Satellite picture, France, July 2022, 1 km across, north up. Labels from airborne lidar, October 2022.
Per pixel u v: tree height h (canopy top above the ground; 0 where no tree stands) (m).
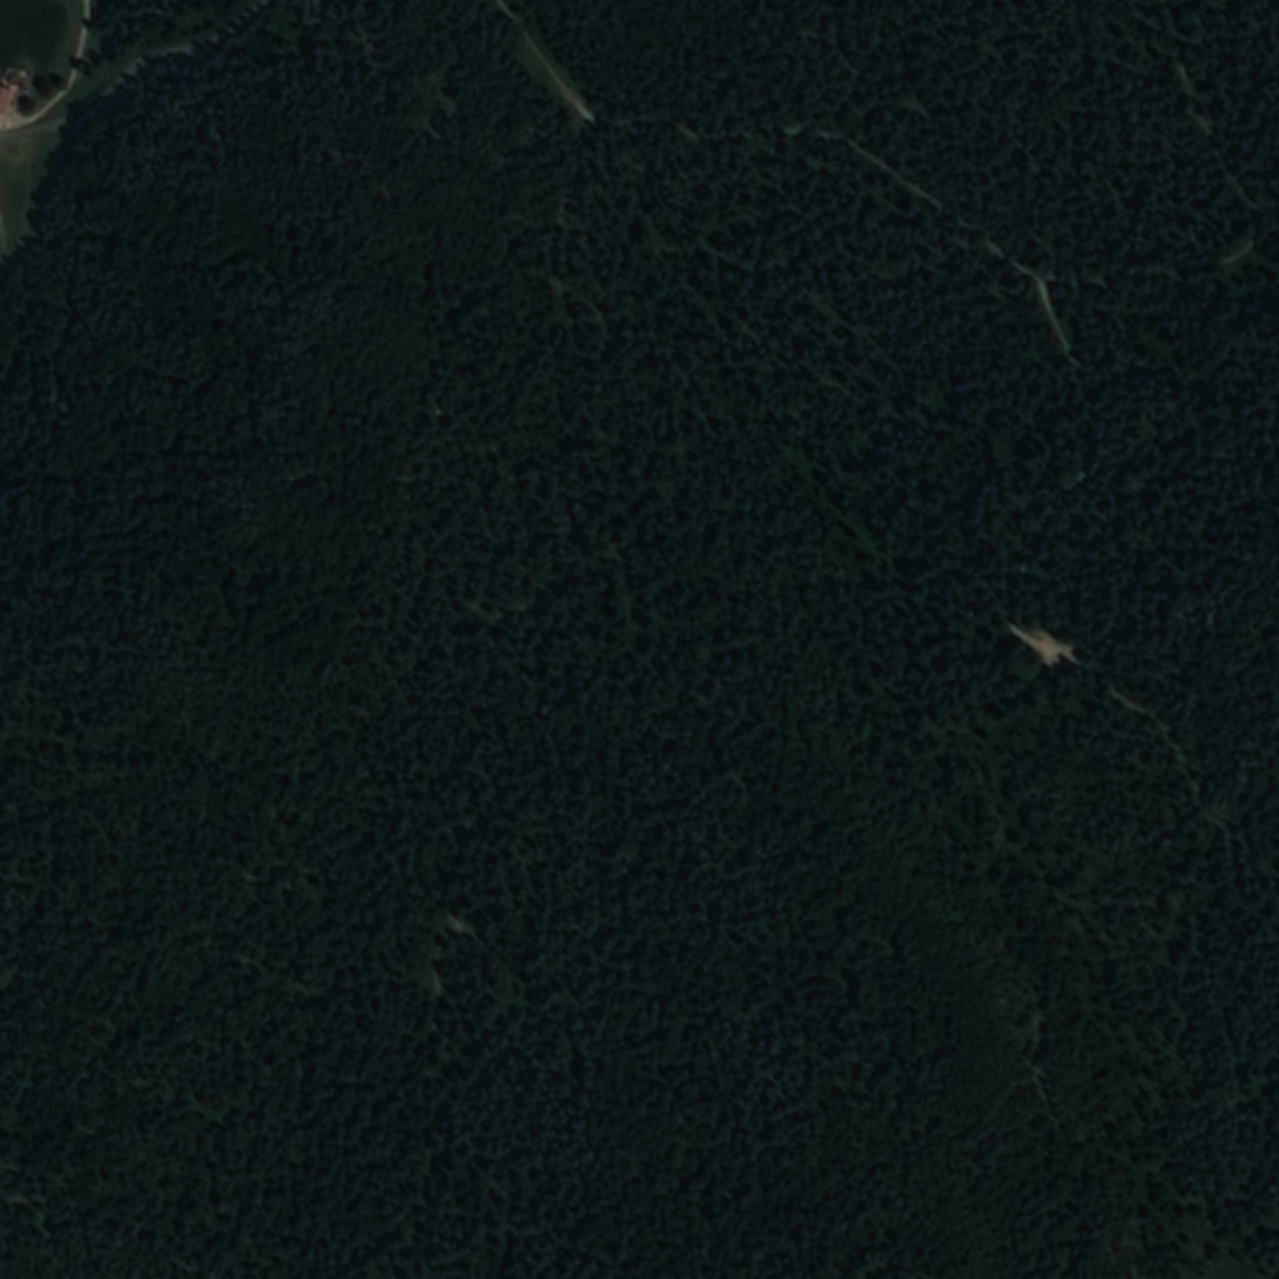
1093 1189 26
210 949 22
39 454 23
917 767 32
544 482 6
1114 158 23
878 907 14
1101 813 21
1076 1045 24
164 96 29
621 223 33
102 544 29
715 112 19
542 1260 30
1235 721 16
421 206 18
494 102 24
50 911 17
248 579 10
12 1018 18
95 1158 18
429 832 33
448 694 17
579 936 9
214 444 21
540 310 6
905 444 29
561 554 35
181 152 12
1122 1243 20
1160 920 30
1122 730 26
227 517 19
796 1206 9
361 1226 24
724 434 23
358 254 23
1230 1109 25
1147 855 16
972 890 22
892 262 10
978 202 21
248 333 14
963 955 13
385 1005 29
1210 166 27
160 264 17
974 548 16
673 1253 15
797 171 28
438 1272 21
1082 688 10
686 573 24
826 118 18
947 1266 15
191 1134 19
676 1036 25
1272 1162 16
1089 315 28
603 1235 16
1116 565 33
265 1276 21
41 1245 26
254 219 21
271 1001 23
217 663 13
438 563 15
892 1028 17
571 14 24
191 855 17
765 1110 18
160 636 16
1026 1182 21
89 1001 17
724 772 22
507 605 37
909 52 12
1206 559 27
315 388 19
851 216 23
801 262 20
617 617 29
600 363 19
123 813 12
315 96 30
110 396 16
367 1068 30
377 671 27
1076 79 15
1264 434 26
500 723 19
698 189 7
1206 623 25
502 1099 23
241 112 25
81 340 20
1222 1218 23
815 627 10
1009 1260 20
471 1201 17
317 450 19
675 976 15
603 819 10
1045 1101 21
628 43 9
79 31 0
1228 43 18
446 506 17
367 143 29
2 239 0
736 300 26
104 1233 22
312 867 21
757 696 24
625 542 35
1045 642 0
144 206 20
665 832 20
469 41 25
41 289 18
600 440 8
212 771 18
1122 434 20
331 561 10
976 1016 18
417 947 39
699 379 24
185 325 18
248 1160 13
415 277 24
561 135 33
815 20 20
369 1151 27
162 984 14
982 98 21
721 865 18
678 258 15
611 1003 19
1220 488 21
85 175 27
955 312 28
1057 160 28
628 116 23
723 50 11
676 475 22
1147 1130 7
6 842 16
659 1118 21
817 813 18
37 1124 27
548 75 0
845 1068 20
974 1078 18
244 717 19
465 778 32
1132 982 17
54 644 27
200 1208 34
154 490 26
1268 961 26
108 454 22
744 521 19
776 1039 24
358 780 23
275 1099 27
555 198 20
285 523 13
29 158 0
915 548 20
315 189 26
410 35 27
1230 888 25
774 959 9
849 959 21
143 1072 18
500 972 26
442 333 24
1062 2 25
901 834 21
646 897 14
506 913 22
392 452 20
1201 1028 18
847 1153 7
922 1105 25
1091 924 12
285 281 25
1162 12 28
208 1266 29
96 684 14
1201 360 23
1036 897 20
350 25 22
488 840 17
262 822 18
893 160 17
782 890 19
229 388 23
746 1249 11
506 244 24
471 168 28
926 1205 16
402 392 23
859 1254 6
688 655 15
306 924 25
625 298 23
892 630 27
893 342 26
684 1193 14
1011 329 15
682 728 23
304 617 19
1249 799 19
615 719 23
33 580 23
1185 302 20
